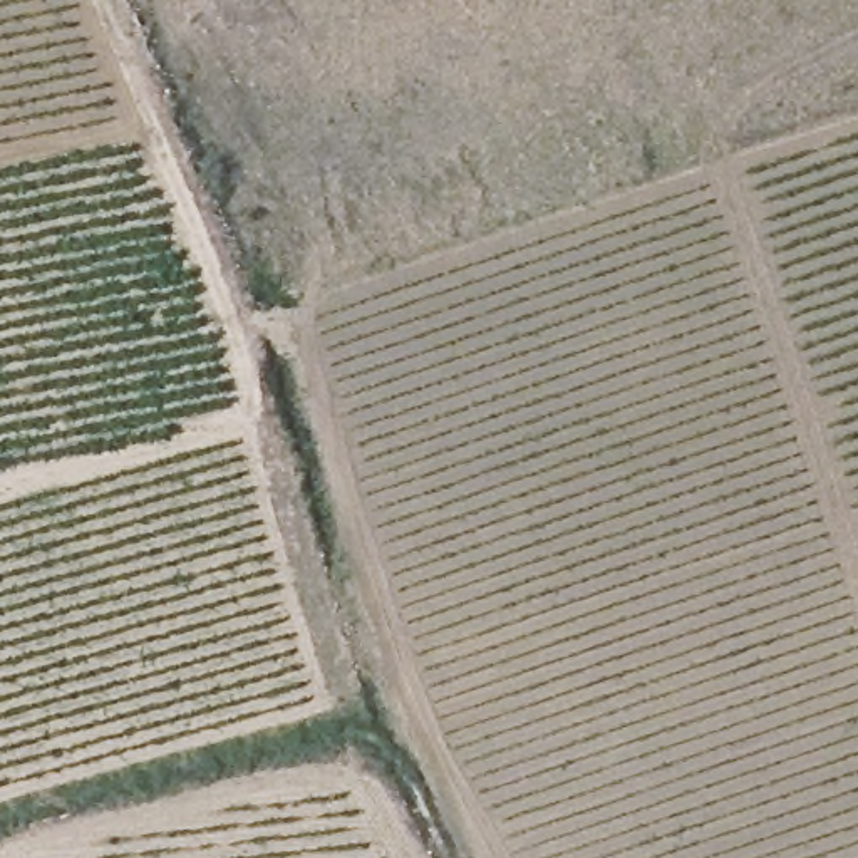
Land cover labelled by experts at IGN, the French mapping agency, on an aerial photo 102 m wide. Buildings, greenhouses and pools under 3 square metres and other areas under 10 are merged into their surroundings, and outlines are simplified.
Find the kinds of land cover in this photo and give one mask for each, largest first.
<instances>
[{"label":"vineyard","instance_id":"1","mask_svg":"<svg viewBox=\"0 0 858 858\"><path fill-rule=\"evenodd\" d=\"M198 97V77L171 67L154 0H0V804L17 801L23 794L147 764L158 757H171L181 751H198L271 727L302 724L318 714L349 711L362 697V680L375 684L379 704L389 714V727L395 731L399 744L409 747V754L429 781V791L422 794L419 788H412L416 808L406 811L402 801L389 791V784L362 768L359 751L345 747L335 761L265 768L204 788H184L178 794L154 798L144 804L40 821L10 838H0V858H858V111L821 121L814 127H801L784 137L741 147L724 161L697 164V181H707L711 188L694 191L697 204L677 208L670 215L603 231L580 245L536 255L516 261L513 268L476 275L469 282L419 298H406L399 305L359 315L352 322H339V315H325L305 298L295 305L258 312L251 305V295L241 288H235L221 271V258L211 245L204 215L218 218L221 225L235 218L231 198L235 174L241 171V164L221 144L201 137L198 127L208 117L191 107Z\"/></svg>","mask_w":858,"mask_h":858},{"label":"plowed land","instance_id":"2","mask_svg":"<svg viewBox=\"0 0 858 858\"><path fill-rule=\"evenodd\" d=\"M171 67L198 77V97L191 107L208 117L198 127L201 137L221 144L241 164V171L235 174L231 198L235 218L221 225L218 218L204 215L211 245L221 258V271L235 288H241L255 275L271 271L295 298V305L305 298L325 315H339V322H352L359 315L399 305L406 298H419L469 282L476 275L513 268L516 261L536 255L580 245L603 231L670 215L677 208L697 204L694 191L711 188L707 181H697V164L724 161L741 147L784 137L801 127H814L821 121L858 111V0H154Z\"/></svg>","mask_w":858,"mask_h":858},{"label":"brushwood","instance_id":"3","mask_svg":"<svg viewBox=\"0 0 858 858\"><path fill-rule=\"evenodd\" d=\"M362 697L349 711L318 714L302 724L271 727L198 751H181L171 757H158L147 764L23 794L17 801L0 804V838H10L40 821L144 804L154 798L178 794L184 788H204L265 768L335 761L345 747L359 751L362 768L389 784V791L402 801L406 811L416 808L412 788H419L422 794L429 791V781L409 754V747L399 744L395 731L389 727V714L379 704L375 684L362 680Z\"/></svg>","mask_w":858,"mask_h":858},{"label":"deciduous trees","instance_id":"4","mask_svg":"<svg viewBox=\"0 0 858 858\"><path fill-rule=\"evenodd\" d=\"M251 295V305L258 312L295 305V298L271 271L255 275L241 288Z\"/></svg>","mask_w":858,"mask_h":858}]
</instances>
